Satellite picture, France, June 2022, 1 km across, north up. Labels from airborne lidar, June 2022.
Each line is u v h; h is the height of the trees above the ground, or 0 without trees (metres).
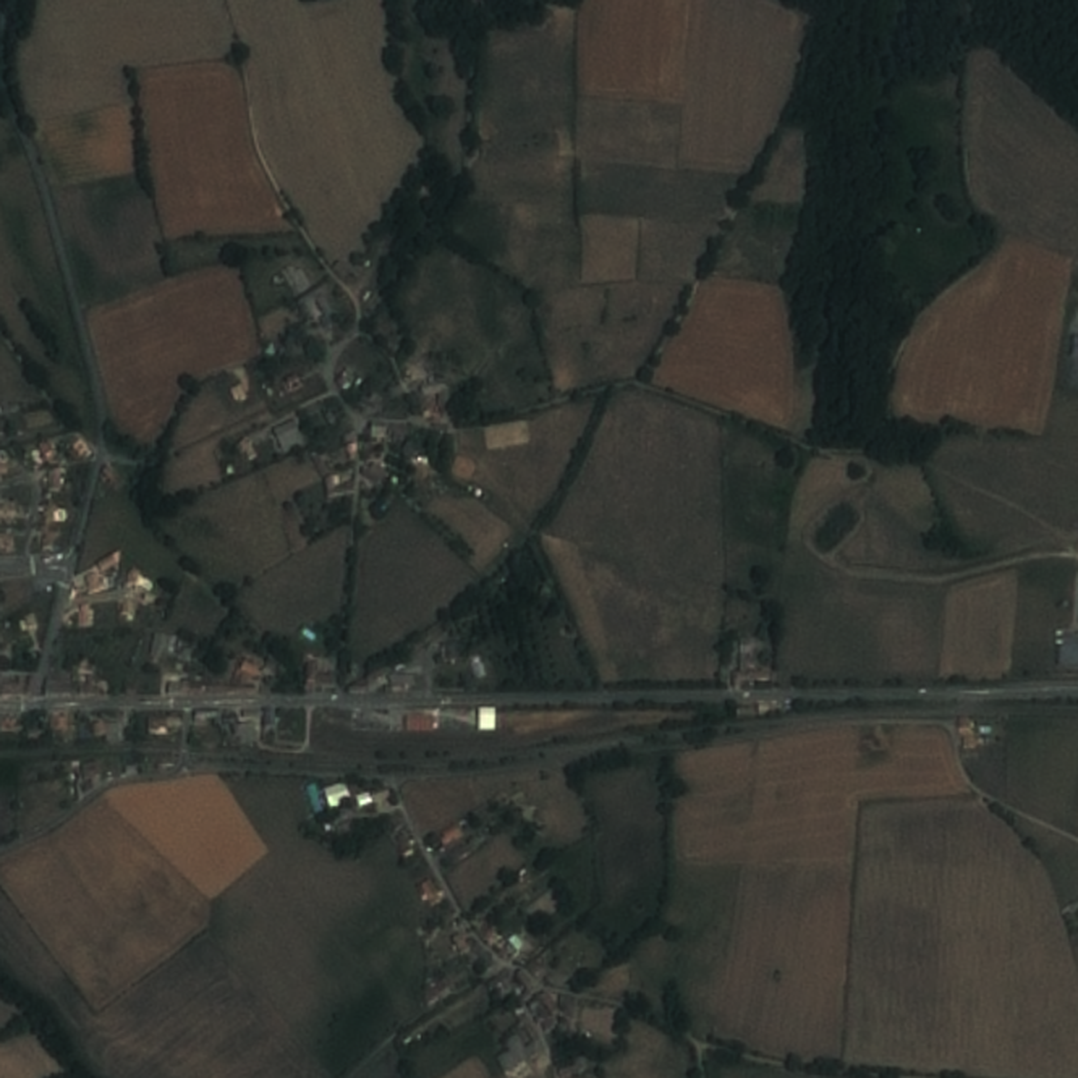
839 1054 0
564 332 0
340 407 6
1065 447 0
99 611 0
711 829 0
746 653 0
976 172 0
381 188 0
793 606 0
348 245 0
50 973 0
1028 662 0
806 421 0
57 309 0
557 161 0
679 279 0
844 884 0
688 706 10
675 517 0
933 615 0
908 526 0
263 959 0
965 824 0
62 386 0
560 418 0
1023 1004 0
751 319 0
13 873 0
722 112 0
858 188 21
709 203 0
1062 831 0
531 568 21
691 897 0
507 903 7
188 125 0
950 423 17
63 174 0
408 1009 0
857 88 15
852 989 0
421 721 0
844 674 0
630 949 11
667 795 10
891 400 8
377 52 0
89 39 0
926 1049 0
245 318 0
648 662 0
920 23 23
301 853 0
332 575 0
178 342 0
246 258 11
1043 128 0
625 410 0
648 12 0
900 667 0
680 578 0
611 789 0
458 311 0
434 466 6
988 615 0
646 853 0
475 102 14
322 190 0
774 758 0
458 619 12
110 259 0
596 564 0
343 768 0
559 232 0
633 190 0
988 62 0
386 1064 0
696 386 0
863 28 18
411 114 17
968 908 0
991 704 0
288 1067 0
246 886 0
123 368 0
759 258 0
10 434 13
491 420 12
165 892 0
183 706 0
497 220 0
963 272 8
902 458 16
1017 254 0
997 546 0
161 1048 0
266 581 0
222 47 0
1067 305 0
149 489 21
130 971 0
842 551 0
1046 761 0
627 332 0
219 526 0
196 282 0
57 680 0
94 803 0
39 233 0
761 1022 0
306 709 0
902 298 16
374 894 0
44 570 0
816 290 19
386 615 0
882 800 0
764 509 0
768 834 0
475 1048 0
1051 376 0
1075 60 19
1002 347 0
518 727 0
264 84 0
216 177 0
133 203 0
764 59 0
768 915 0
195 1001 0
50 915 0
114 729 0
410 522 0
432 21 19
